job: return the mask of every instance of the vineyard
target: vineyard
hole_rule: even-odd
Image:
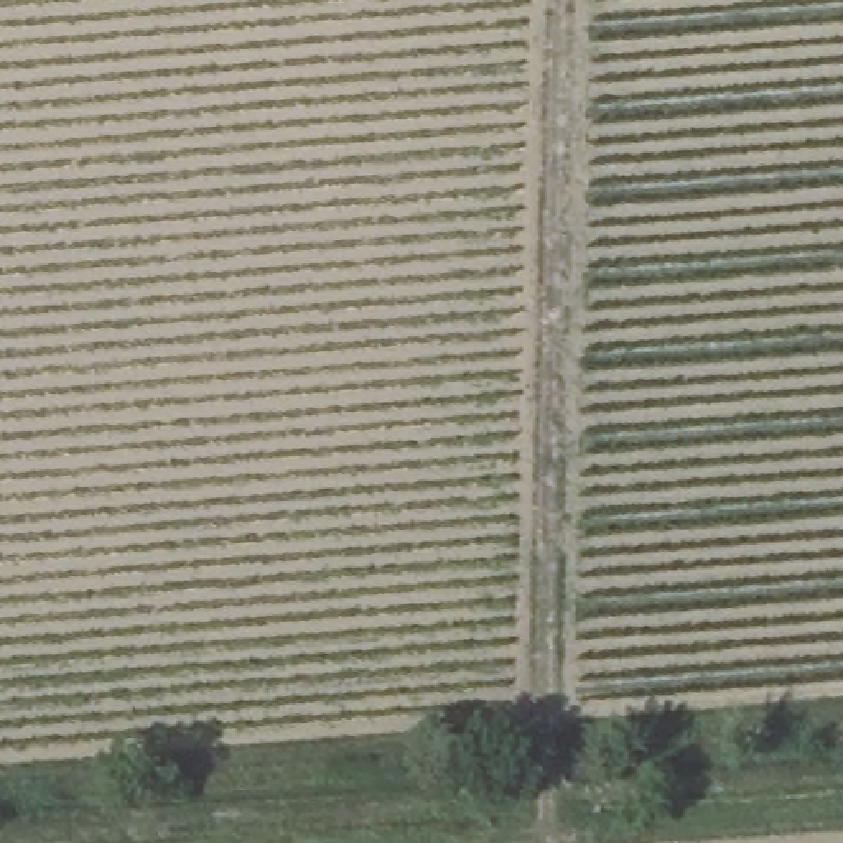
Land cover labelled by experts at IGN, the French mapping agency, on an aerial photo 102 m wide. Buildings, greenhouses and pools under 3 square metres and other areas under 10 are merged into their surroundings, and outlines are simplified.
[[[520,695],[563,695],[573,711],[593,718],[692,708],[767,705],[843,698],[843,0],[0,0],[0,764],[89,757],[92,777],[102,784],[105,777],[115,777],[135,761],[148,757],[145,748],[135,741],[135,731],[151,724],[221,721],[224,744],[395,731],[408,731],[428,718],[431,705],[517,701]]]
[[[550,790],[540,794],[537,800],[537,817],[524,830],[524,843],[576,843],[573,830],[560,827],[557,800]]]
[[[698,843],[843,843],[843,830],[731,836]]]

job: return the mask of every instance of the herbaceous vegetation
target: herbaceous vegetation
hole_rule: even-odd
[[[175,764],[188,780],[191,800],[240,810],[240,820],[217,820],[214,830],[198,833],[194,843],[524,843],[524,830],[537,817],[537,800],[530,797],[510,817],[474,820],[471,833],[458,833],[454,820],[441,817],[445,797],[431,790],[405,794],[398,800],[346,807],[346,784],[313,784],[313,764],[402,757],[405,741],[395,731],[224,744],[221,721],[151,724],[135,731],[135,741],[145,748],[148,757]]]
[[[543,767],[543,777],[537,784],[540,794],[550,790],[557,784],[586,784],[586,771],[580,764],[583,731],[589,731],[603,744],[626,734],[629,754],[622,761],[622,780],[632,780],[639,764],[645,761],[665,774],[665,803],[668,813],[678,817],[672,833],[675,843],[698,843],[731,836],[843,830],[843,771],[803,777],[744,774],[728,784],[708,784],[711,761],[701,754],[701,728],[695,724],[692,708],[593,718],[573,711],[563,695],[520,695],[517,701],[431,705],[428,718],[431,724],[448,728],[451,734],[461,734],[464,724],[474,734],[491,734],[494,728],[510,734],[514,728],[524,728],[530,734],[527,754],[533,764]]]
[[[803,718],[820,728],[820,744],[836,748],[836,734],[843,738],[843,698],[767,705],[764,731],[754,731],[751,738],[754,751],[774,751],[780,741],[800,731]]]

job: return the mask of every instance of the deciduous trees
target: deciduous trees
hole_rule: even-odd
[[[408,731],[395,731],[405,741],[402,757],[313,764],[313,784],[346,784],[346,807],[398,800],[405,794],[431,790],[445,797],[441,817],[454,820],[458,833],[471,833],[474,820],[510,817],[530,797],[537,800],[540,794],[537,784],[543,777],[543,767],[533,764],[527,754],[530,734],[524,728],[514,728],[510,734],[494,728],[491,734],[474,734],[464,724],[461,734],[451,734],[448,728],[431,724],[428,718]]]
[[[843,738],[836,734],[836,748],[820,744],[820,728],[803,718],[800,731],[780,741],[774,751],[754,751],[751,738],[754,731],[764,731],[767,705],[692,708],[695,724],[701,728],[701,754],[711,761],[708,784],[728,784],[744,774],[803,777],[843,771]]]
[[[188,780],[175,764],[148,757],[135,761],[115,777],[105,777],[102,784],[92,777],[89,757],[0,764],[0,843],[194,843],[198,833],[214,830],[217,820],[240,820],[240,810],[191,800]]]
[[[576,843],[675,843],[672,833],[678,817],[668,813],[665,803],[665,774],[645,761],[639,764],[632,780],[622,780],[622,761],[629,754],[626,734],[603,744],[589,731],[583,731],[580,764],[586,771],[586,784],[557,784],[550,790],[557,800],[560,827],[573,830]]]

